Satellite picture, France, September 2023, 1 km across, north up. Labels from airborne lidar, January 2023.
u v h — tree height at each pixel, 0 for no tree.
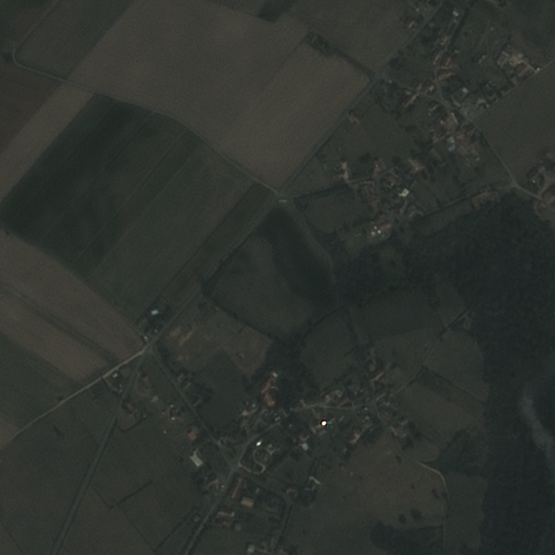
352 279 25
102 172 0
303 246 0
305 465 0
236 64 0
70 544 0
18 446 0
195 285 0
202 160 0
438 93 0
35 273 0
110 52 0
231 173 0
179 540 0
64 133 0
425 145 9
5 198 0
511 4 0
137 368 0
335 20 0
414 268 20
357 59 0
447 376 0
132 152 0
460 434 8
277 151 0
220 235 0
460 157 0
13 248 0
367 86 0
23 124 0
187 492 0
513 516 26
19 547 0
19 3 0
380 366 11
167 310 6
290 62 0
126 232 0
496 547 15
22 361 0
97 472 0
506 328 29
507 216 12
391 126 0
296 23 0
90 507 0
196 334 0
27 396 0
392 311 0
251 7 0
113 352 0
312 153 0
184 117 0
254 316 0
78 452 0
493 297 25
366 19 0
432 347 0
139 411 0
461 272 13
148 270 0
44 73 0
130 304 0
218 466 0
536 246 11
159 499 0
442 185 0
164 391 0
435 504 0
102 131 0
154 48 0
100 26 0
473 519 0
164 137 0
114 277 0
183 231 0
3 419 0
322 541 0
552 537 21
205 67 0
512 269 21
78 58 0
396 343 0
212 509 0
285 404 14
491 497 10
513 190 0
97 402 0
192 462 0
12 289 0
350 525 0
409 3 0
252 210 0
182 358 0
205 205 0
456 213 0
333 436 0
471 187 0
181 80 0
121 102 0
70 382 0
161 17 0
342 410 0
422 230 8
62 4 0
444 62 0
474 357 0
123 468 0
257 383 12
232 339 0
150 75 0
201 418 7
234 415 0
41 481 0
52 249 0
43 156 0
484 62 0
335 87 0
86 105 0
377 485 0
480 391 0
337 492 0
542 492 13
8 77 0
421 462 0
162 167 0
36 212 0
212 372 0
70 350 0
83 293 0
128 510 0
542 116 0
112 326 0
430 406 0
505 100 0
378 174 0
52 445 0
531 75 0
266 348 0
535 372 12
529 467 23
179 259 0
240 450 0
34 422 0
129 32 0
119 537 0
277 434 0
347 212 0
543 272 19
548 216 0
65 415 0
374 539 14
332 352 0
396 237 12
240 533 0
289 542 0
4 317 0
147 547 0
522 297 19
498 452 8
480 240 19
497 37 0
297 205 13
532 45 0
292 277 0
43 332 0
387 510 0
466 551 11
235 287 0
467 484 0
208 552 0
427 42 11
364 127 0
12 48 0
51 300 0
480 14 0
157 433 0
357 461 0
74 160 0
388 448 0
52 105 0
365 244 0
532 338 25
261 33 0
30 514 0
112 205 0
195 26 0
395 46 0
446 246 14
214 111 0
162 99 0
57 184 0
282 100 0
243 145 0
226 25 0
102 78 0
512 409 19
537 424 0
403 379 0
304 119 0
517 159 0
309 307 0
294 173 0
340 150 0
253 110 0
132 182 0
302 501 13
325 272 0
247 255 0
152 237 0
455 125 0
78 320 0
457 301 0
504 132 0
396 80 0
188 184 0
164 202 0
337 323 0
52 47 0
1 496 0
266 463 0
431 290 24
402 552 20
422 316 0
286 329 0
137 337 0
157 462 0
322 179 0
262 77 0
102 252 0
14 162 0
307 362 0
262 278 0
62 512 0
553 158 0
